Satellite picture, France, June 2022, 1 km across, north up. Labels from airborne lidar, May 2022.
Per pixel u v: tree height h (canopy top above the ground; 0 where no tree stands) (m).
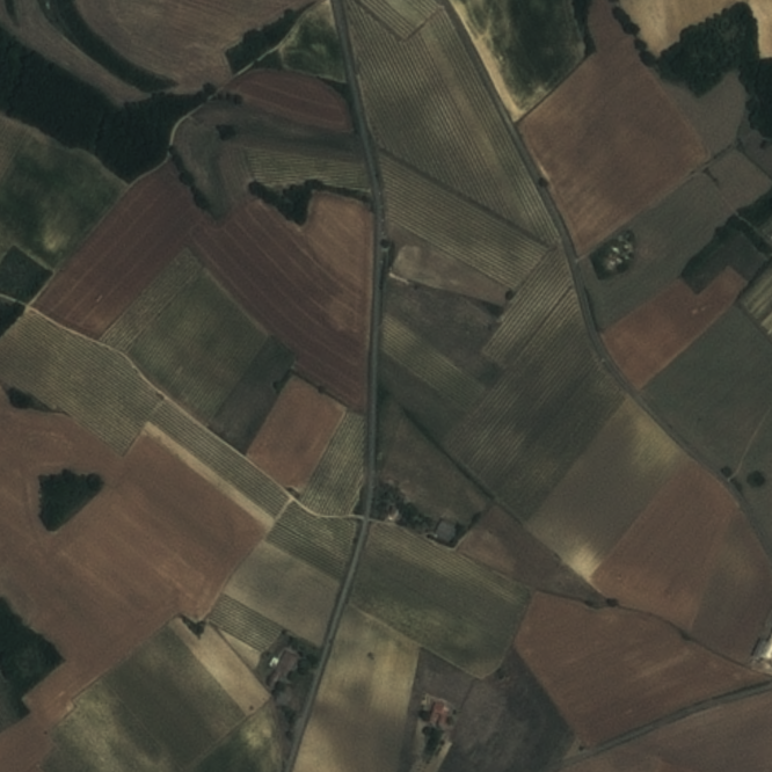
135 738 0
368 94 0
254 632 0
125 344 0
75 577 0
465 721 0
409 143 0
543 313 0
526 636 0
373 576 0
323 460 0
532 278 0
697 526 0
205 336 0
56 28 0
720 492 0
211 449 0
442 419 0
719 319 0
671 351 0
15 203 0
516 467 0
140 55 0
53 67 21
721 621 0
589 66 0
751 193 0
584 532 0
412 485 0
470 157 0
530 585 0
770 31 0
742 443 0
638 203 0
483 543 0
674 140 0
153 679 0
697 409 0
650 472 0
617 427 0
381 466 0
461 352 0
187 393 0
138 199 0
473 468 0
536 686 0
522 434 0
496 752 0
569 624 0
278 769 0
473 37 0
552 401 0
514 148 0
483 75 0
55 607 0
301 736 0
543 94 0
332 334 0
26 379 0
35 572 0
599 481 0
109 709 0
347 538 0
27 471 0
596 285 0
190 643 0
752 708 0
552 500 0
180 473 0
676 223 0
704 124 0
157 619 0
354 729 0
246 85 0
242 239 0
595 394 0
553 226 0
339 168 0
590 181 0
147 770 0
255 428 0
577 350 0
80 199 0
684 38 11
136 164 9
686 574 0
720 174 0
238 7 0
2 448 0
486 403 0
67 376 0
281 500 0
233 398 0
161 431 0
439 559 0
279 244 0
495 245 0
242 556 0
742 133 0
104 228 0
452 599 0
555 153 0
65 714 0
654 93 0
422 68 0
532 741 0
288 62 0
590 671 0
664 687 0
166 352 0
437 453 0
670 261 0
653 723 0
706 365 0
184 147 0
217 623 0
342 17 0
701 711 0
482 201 0
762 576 0
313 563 0
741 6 10
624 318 0
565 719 0
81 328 0
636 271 0
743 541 0
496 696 0
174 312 0
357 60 0
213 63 0
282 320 0
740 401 0
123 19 0
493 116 0
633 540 0
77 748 0
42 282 6
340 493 0
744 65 9
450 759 0
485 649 0
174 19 0
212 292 0
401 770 0
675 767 0
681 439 0
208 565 0
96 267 0
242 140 0
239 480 0
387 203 0
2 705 0
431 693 0
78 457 0
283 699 0
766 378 0
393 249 0
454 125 0
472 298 0
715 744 0
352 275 0
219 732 0
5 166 0
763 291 0
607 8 0
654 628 0
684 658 0
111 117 14
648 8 0
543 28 0
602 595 0
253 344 0
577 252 0
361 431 0
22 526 0
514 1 0
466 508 0
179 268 0
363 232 0
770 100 14
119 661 0
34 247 0
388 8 0
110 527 0
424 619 0
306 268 0
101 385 0
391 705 0
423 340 0
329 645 0
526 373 0
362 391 0
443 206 0
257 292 0
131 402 0
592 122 0
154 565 0
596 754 0
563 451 0
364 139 0
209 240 0
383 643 0
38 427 0
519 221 0
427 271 0
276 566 0
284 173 0
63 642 0
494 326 0
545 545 0
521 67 0
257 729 0
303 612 0
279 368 0
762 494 0
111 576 0
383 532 0
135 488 0
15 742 0
